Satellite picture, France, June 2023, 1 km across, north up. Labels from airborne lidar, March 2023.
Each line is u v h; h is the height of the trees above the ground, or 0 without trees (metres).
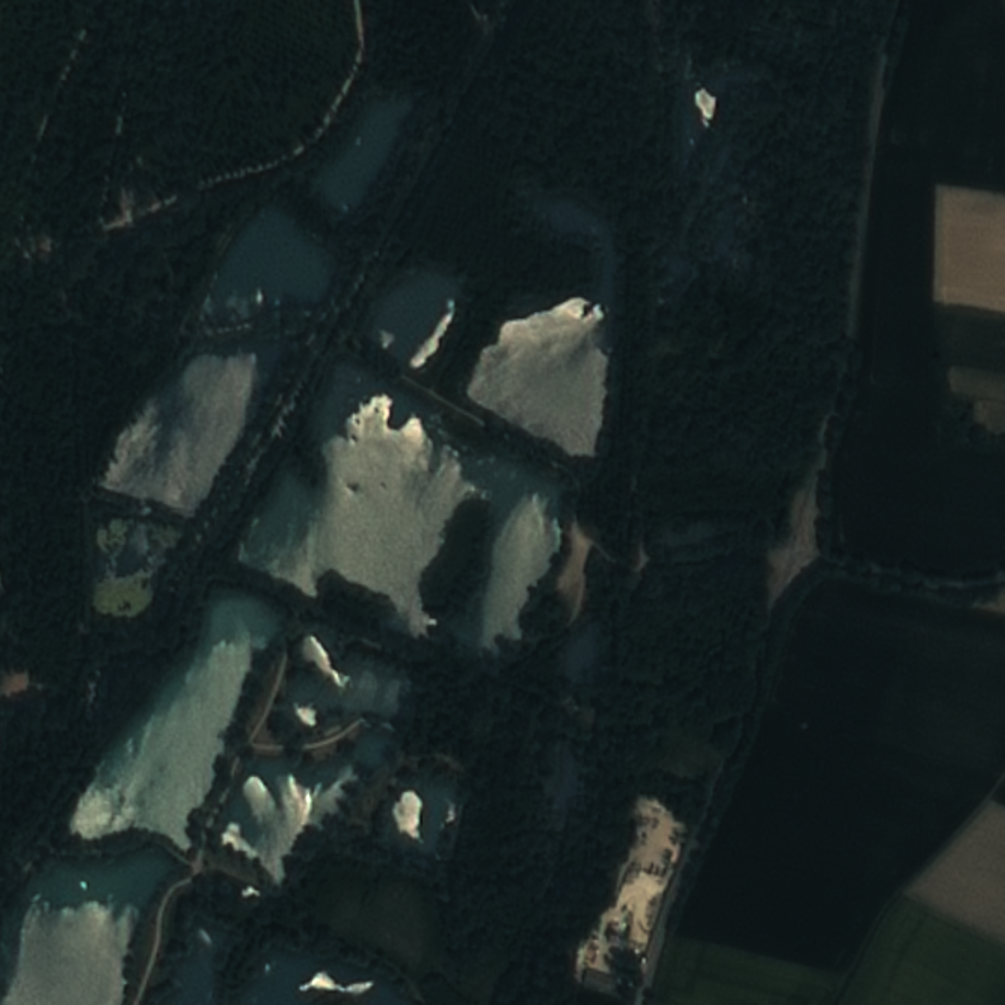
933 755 0
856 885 0
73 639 18
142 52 21
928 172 0
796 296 19
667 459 22
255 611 0
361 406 0
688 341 10
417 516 0
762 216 21
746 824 0
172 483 0
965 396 0
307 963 0
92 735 16
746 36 8
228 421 0
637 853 0
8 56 7
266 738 0
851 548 0
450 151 23
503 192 10
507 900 23
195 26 26
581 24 26
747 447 22
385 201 13
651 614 24
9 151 20
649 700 13
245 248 0
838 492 0
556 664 8
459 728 11
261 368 0
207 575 8
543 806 8
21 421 21
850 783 0
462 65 20
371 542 0
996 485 0
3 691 0
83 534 18
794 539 0
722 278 9
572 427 0
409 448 0
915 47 0
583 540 0
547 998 25
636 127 30
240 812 0
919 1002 0
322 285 0
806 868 0
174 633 14
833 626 0
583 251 18
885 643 0
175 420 0
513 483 0
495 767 17
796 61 8
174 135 19
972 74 0
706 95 0
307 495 0
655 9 13
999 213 0
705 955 0
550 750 31
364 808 0
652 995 13
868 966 0
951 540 0
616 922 0
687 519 23
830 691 0
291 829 0
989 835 0
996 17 0
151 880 0
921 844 0
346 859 6
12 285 19
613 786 33
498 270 22
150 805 0
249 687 10
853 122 31
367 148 0
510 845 11
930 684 0
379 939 0
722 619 23
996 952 0
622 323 8
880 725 0
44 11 17
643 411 18
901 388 0
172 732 0
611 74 29
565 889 28
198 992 0
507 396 0
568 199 0
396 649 8
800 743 0
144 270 30
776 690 0
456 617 12
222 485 5
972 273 0
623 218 14
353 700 0
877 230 0
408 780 20
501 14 14
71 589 17
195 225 19
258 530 0
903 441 0
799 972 0
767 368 18
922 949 0
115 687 31
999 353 0
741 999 0
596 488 6
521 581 0
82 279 26
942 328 0
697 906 0
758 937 0
